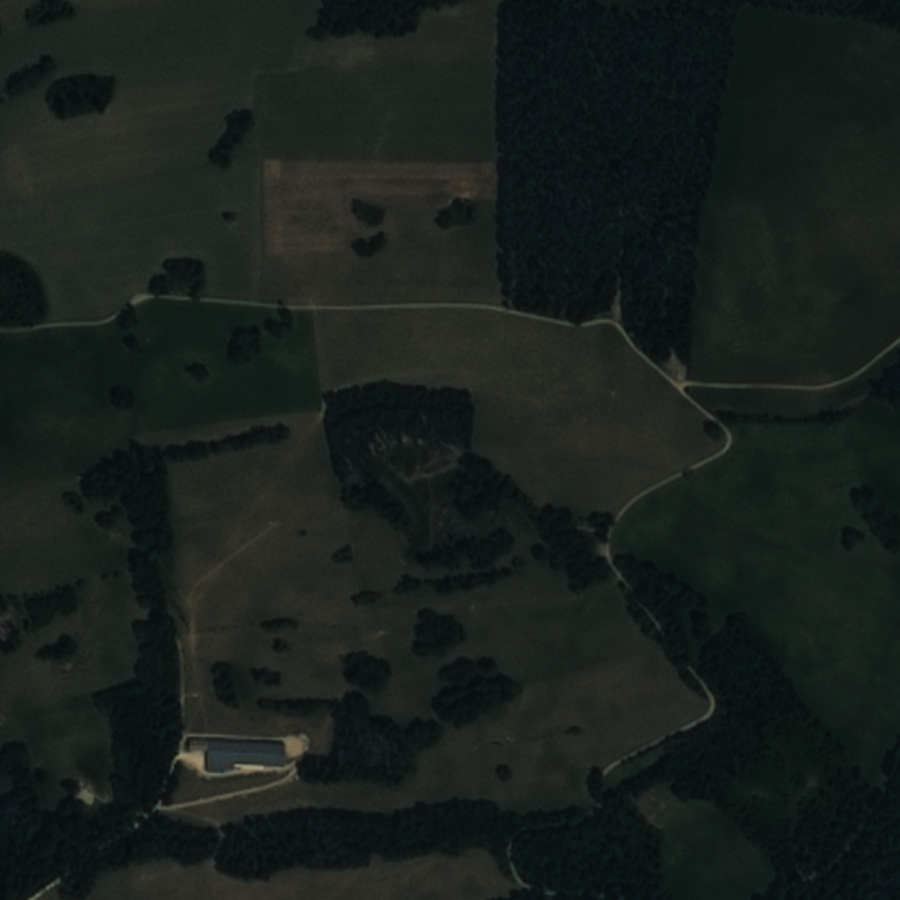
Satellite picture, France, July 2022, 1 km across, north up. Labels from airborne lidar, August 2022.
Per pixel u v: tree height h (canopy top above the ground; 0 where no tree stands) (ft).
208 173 0
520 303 39
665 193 29
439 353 0
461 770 0
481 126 0
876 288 0
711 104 21
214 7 0
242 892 0
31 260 0
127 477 58
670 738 30
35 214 0
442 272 0
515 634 0
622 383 0
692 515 0
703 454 0
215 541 0
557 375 0
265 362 0
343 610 0
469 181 0
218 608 0
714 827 0
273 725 0
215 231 0
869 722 0
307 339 0
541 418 0
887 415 0
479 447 0
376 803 0
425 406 76
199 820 0
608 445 0
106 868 64
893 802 39
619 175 113
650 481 0
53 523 0
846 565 0
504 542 32
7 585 0
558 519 48
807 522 0
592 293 30
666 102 98
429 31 0
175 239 0
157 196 0
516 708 0
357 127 0
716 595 0
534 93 56
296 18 0
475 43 0
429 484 0
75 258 0
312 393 0
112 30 0
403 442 0
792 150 0
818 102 0
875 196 0
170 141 0
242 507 0
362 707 75
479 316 0
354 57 0
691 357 43
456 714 52
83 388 0
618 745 0
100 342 0
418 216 0
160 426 0
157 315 0
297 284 0
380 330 0
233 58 0
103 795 0
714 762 43
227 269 0
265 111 0
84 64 0
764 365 0
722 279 0
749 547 0
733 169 0
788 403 0
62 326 0
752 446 0
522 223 103
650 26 103
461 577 30
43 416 0
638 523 0
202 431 0
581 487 0
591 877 48
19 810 76
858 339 0
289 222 0
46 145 0
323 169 0
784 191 0
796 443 0
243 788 0
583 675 0
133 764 34
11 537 0
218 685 34
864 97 0
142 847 58
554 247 109
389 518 21
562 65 98
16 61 0
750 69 0
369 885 0
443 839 51
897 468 0
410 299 0
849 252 0
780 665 31
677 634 55
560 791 0
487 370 0
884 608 0
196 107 0
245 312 0
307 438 0
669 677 0
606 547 0
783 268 0
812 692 0
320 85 0
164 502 63
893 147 0
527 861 49
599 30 117
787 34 0
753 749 39
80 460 0
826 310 0
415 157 0
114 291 0
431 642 52
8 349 0
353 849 79
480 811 44
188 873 0
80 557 0
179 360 0
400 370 0
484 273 0
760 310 0
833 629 0
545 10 56
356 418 64
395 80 0
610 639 0
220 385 0
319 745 0
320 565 0
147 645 48
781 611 0
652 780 49
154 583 73
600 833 38
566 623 0
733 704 52
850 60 0
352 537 0
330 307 0
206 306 0
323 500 0
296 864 25
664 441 0
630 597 52
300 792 0
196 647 0
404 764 28
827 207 0
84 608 0
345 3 60
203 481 0
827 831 37
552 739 0
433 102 0
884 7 39
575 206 110
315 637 0
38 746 0
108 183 0
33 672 0
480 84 0
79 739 0
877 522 48
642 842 28
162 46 0
